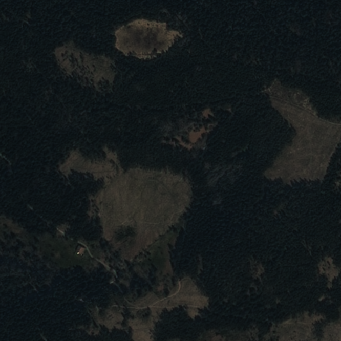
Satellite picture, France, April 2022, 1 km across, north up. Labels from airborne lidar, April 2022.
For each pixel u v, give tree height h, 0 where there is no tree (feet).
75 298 82
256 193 58
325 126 0
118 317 0
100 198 0
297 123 0
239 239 68
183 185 0
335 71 56
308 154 0
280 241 61
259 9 50
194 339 83
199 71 80
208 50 56
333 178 22
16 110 76
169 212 0
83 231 75
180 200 0
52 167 44
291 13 87
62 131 78
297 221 82
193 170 67
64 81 55
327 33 83
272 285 80
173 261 46
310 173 0
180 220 51
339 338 0
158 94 46
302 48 77
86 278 74
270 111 44
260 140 45
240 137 85
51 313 95
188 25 53
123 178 0
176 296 0
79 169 0
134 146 76
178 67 57
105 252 43
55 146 78
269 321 57
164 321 85
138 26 0
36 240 45
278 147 64
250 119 75
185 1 78
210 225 86
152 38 0
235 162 62
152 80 54
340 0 85
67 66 0
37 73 46
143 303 0
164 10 62
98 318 0
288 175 0
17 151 51
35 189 53
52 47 54
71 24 65
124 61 35
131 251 0
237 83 31
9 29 62
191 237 85
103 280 101
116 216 0
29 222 101
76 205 51
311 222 77
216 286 77
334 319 79
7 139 50
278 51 78
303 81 45
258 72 48
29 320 74
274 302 72
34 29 49
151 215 0
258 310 80
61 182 33
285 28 88
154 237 0
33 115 77
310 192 68
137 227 0
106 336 92
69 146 48
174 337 95
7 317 89
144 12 55
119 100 67
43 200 51
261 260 53
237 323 82
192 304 0
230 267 73
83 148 46
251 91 51
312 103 32
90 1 61
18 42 76
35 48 76
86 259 0
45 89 71
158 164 70
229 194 65
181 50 39
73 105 82
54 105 83
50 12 77
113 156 0
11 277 75
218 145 81
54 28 36
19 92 67
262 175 85
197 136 0
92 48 77
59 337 94
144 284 85
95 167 0
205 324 99
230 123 76
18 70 51
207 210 90
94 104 70
